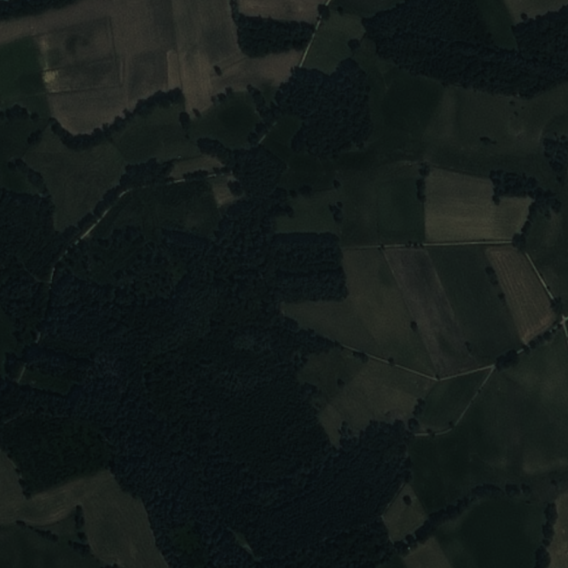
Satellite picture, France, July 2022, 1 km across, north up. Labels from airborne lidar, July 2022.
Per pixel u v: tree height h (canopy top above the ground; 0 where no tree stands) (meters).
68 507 0
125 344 27
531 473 0
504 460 0
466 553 0
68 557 0
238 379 11
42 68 0
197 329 33
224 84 0
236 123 0
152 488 29
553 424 0
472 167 0
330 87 29
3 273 8
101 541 0
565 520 0
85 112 0
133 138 0
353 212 0
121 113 0
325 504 21
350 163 0
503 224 0
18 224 24
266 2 0
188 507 28
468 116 0
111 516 0
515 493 22
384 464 17
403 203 0
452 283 0
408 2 14
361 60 0
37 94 0
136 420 21
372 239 0
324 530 21
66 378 17
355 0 0
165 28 0
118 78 0
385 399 0
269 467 12
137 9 0
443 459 0
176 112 0
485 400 0
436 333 0
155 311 26
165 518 30
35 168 0
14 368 28
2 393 29
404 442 15
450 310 0
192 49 0
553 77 21
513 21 0
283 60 0
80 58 0
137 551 0
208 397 16
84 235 0
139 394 18
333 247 30
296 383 11
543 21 20
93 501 0
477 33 6
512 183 6
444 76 17
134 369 22
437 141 0
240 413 15
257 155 22
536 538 0
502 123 0
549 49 10
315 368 0
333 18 0
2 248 18
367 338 0
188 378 20
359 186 0
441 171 0
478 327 0
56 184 0
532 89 18
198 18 0
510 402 0
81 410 31
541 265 0
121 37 0
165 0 0
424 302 0
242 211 22
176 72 0
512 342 0
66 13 0
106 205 18
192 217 0
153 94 0
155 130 0
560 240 0
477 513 0
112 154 0
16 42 0
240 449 13
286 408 13
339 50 0
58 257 17
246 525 23
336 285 25
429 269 0
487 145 9
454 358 0
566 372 0
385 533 24
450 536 0
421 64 20
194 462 20
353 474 19
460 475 0
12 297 11
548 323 0
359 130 19
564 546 0
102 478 0
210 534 32
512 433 0
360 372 0
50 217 24
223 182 0
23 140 0
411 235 0
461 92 0
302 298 18
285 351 20
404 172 0
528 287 0
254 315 30
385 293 0
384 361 0
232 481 26
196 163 0
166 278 17
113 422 24
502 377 0
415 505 0
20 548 0
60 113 0
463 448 0
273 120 15
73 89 0
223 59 0
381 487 22
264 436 15
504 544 0
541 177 0
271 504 21
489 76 20
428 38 29
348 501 18
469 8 11
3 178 0
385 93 0
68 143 22
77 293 25
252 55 18
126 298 26
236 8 22
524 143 0
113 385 19
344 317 0
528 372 0
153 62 0
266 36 20
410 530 0
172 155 0
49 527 0
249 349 13
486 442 0
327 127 23
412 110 0
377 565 10
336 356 0
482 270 0
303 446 14
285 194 21
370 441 15
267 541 22
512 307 0
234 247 8
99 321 30
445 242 0
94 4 0
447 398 0
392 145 0
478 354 0
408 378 0
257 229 7
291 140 0
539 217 0
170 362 20
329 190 0
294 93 28
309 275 21
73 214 0
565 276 0
